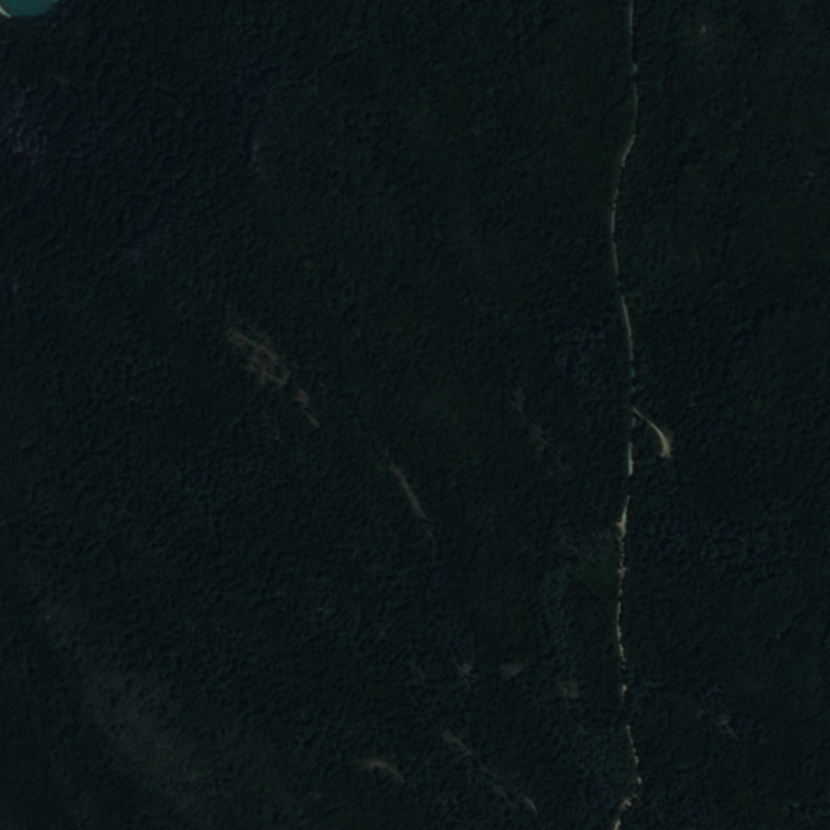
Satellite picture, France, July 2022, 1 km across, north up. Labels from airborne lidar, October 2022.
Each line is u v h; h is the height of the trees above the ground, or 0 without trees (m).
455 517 6
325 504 16
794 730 12
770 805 17
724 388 15
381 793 11
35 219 35
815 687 7
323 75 28
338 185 18
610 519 14
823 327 12
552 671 18
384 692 6
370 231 14
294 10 19
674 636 10
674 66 14
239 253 13
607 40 16
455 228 10
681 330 14
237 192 21
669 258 20
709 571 21
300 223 11
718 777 13
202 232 19
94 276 30
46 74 27
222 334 13
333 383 12
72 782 9
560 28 17
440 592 20
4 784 12
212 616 21
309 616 10
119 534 13
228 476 11
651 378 9
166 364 17
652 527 21
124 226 33
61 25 29
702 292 12
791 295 15
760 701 12
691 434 15
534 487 12
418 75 8
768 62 19
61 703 13
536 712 12
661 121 13
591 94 11
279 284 16
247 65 15
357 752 18
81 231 32
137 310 21
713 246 15
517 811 11
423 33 17
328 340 12
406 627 14
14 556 9
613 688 15
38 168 39
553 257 16
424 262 17
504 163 9
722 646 15
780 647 20
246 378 14
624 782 26
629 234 13
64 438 19
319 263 16
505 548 14
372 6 15
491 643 10
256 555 12
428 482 10
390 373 10
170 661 22
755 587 14
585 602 17
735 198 8
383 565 16
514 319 12
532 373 15
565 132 10
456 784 11
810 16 15
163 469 19
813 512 8
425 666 17
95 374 26
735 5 23
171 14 29
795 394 16
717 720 14
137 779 8
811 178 10
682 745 9
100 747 10
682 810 14
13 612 24
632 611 7
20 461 12
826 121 9
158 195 26
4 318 28
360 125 20
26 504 14
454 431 11
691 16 15
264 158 6
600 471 25
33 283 22
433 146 8
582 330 34
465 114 11
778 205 15
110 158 35
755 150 12
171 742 6
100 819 8
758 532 29
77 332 19
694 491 21
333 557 16
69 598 6
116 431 11
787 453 12
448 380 12
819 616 10
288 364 8
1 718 16
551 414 14
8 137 27
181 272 15
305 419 11
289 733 6
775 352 9
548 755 8
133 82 32
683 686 10
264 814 22
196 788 7
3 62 23
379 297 14
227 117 23
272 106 10
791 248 12
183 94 30
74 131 36
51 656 24
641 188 9
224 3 29
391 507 13
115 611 14
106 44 32
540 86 13
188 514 17
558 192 9
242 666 16
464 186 7
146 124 36
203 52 13
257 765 7
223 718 6
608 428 9
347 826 11
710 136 13
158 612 19
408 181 14
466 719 14
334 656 16
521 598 9
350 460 14
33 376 18
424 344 10
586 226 8
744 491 22
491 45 18
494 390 15
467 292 9
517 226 15
